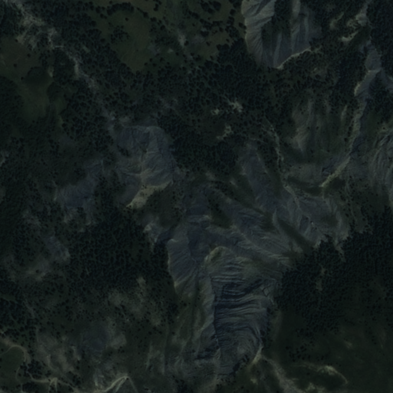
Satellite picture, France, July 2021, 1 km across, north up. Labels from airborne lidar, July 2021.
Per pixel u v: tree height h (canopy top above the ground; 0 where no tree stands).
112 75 15
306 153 0
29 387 14
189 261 0
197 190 0
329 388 0
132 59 0
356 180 0
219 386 8
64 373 0
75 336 0
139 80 9
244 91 16
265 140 8
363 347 0
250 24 0
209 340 0
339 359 0
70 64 6
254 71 14
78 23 17
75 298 7
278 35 0
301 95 7
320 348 0
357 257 9
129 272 13
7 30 13
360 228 0
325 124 0
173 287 0
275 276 0
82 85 10
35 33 7
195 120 11
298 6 0
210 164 12
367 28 9
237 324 0
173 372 0
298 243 0
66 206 0
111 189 9
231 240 0
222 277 0
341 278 7
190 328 0
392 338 0
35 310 9
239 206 0
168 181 0
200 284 0
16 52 0
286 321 0
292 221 0
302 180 0
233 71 23
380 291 0
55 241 0
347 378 0
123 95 18
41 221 8
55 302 0
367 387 0
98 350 0
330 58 8
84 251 12
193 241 0
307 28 0
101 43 10
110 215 9
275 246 0
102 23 0
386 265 7
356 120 0
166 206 0
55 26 12
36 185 9
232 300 0
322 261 12
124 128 0
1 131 7
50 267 0
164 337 0
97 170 0
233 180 0
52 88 6
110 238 21
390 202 0
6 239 11
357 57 10
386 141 0
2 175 9
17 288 15
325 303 6
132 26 0
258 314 0
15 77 0
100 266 12
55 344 0
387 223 13
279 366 0
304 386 0
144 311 0
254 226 0
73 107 18
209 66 24
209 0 0
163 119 8
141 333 0
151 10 0
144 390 0
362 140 0
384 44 11
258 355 0
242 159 0
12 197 9
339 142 0
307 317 8
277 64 0
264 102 12
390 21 13
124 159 0
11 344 0
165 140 0
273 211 0
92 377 0
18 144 8
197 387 0
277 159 9
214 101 14
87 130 13
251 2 0
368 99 0
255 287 0
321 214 0
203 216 0
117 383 0
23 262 9
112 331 0
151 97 9
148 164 0
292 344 0
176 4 0
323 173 0
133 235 20
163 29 12
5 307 24
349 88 11
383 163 0
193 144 19
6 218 8
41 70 6
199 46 0
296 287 18
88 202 0
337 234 0
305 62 12
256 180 0
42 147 7
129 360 0
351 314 0
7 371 0
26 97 0
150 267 11
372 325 0
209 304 0
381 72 0
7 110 11
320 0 11
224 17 0
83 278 14
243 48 20
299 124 0
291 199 0
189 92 7
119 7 15
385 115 8
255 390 0
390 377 0
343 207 0
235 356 0
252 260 0
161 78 8
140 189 0
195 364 0
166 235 0
